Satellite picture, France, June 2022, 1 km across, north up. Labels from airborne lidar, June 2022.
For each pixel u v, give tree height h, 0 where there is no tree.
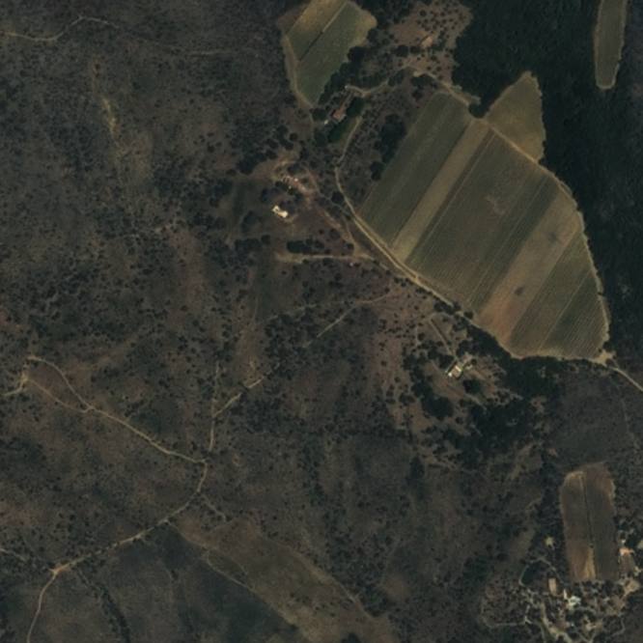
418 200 0
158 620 0
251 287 0
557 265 0
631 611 8
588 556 0
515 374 13
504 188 0
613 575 0
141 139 0
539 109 0
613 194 6
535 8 10
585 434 0
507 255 0
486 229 0
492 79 11
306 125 0
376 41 7
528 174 0
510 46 8
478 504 9
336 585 0
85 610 0
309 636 0
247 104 9
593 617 7
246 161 11
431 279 0
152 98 0
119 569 0
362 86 9
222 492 0
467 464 12
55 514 0
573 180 17
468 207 0
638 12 6
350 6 0
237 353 0
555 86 15
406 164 0
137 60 0
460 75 13
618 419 0
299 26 0
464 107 0
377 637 0
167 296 0
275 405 9
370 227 0
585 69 15
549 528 10
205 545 0
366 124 7
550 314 0
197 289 0
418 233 0
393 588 0
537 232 0
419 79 11
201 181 6
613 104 10
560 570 7
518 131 0
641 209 7
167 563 0
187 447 0
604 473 0
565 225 0
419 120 0
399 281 7
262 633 0
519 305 0
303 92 0
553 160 13
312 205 0
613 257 6
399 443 0
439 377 0
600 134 8
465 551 0
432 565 0
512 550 0
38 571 9
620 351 9
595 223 15
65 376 0
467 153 0
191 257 0
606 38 0
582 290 0
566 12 16
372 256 0
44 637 0
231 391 0
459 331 6
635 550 7
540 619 7
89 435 0
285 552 0
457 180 0
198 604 0
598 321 0
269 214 0
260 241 12
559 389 13
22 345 5
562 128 19
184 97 0
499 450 15
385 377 0
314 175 0
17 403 0
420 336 7
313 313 9
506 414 12
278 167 0
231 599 0
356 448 0
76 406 0
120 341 7
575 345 0
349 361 6
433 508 0
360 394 10
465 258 0
